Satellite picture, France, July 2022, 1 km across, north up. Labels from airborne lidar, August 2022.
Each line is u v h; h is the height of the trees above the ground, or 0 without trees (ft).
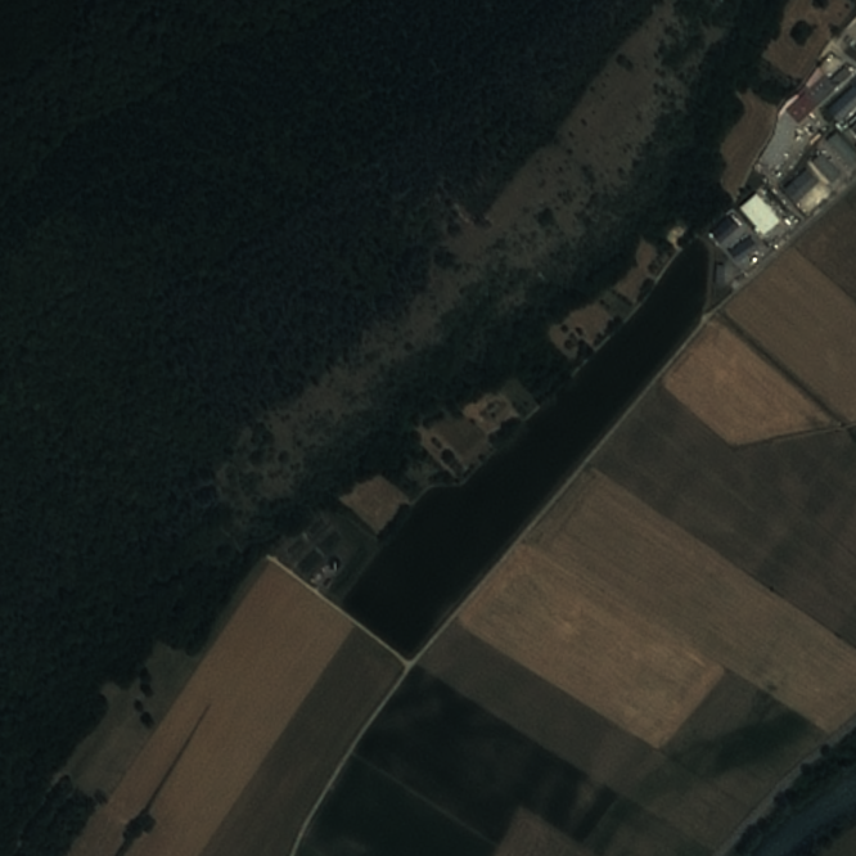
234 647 0
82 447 27
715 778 0
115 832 0
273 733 0
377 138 58
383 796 0
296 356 63
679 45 28
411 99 55
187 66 37
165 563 53
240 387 64
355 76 46
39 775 64
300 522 74
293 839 0
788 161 0
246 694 0
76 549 51
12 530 49
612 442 0
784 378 0
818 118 0
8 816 70
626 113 0
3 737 75
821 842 45
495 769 0
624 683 0
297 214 71
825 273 0
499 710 0
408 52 50
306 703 0
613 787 0
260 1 80
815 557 0
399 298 63
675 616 0
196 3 65
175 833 0
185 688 0
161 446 32
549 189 0
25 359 31
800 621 0
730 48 66
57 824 52
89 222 49
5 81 55
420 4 49
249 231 44
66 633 75
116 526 44
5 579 52
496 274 23
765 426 0
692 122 31
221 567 21
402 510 35
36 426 53
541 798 0
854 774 0
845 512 0
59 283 22
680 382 0
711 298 0
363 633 0
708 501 0
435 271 0
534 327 63
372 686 0
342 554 0
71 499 56
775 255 0
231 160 39
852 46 0
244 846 0
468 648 0
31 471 52
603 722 0
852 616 0
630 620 0
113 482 41
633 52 0
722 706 0
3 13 35
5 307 41
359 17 62
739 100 32
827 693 0
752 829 43
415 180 58
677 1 26
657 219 31
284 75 55
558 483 0
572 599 0
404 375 23
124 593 68
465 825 0
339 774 0
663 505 0
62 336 33
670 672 0
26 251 41
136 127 57
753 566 0
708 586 0
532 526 0
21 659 65
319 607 0
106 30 67
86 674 82
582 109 0
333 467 22
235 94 58
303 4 83
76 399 54
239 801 0
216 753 0
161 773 0
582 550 0
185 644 37
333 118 52
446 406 38
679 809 0
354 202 76
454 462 26
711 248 0
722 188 40
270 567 0
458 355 26
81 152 53
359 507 0
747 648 0
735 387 0
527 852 0
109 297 38
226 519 45
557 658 0
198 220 41
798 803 21
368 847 0
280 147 49
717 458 0
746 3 48
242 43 52
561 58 80
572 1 67
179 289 68
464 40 56
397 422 52
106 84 58
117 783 0
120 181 55
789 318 0
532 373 28
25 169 69
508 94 76
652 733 0
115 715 0
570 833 0
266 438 37
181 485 67
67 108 70
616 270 62
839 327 0
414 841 0
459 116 63
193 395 22
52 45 51
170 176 46
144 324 37
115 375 38
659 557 0
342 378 0
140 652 76
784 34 0
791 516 0
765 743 0
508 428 46
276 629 0
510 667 0
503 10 57
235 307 54
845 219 0
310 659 0
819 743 0
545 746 0
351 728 0
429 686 0
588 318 0
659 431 0
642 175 23
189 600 71
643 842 0
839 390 0
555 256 23
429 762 0
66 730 72
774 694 0
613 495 0
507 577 0
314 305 56
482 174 56
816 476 0
